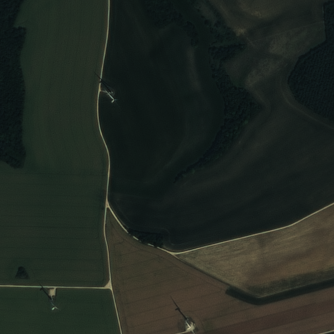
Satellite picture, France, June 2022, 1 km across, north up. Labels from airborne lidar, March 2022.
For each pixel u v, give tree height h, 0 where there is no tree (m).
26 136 0
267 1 0
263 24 0
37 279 0
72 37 0
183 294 0
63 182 0
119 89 0
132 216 0
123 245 0
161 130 0
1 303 0
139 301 0
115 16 0
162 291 0
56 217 0
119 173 0
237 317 0
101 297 0
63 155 0
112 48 0
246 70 0
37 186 0
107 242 0
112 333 0
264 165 0
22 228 0
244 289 0
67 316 0
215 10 6
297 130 0
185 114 0
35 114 0
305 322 0
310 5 0
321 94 20
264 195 0
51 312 0
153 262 0
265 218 0
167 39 0
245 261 0
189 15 0
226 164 0
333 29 15
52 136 0
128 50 0
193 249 0
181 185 0
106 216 0
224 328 0
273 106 0
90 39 0
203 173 0
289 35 0
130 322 0
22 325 0
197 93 0
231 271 0
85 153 0
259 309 0
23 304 0
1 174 0
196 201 0
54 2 0
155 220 0
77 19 0
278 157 0
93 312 0
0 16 19
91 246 0
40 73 0
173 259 0
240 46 15
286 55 0
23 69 0
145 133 0
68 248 0
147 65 0
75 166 0
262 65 0
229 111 17
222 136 17
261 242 0
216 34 11
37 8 0
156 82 0
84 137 0
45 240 0
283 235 0
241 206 0
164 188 0
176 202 0
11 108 14
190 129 0
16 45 21
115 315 0
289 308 0
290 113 0
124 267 0
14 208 0
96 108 0
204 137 0
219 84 10
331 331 0
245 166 0
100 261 0
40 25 0
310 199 0
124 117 0
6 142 7
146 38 0
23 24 0
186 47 0
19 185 0
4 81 15
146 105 0
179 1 0
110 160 0
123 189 0
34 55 0
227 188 0
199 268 0
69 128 0
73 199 0
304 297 0
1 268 0
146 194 0
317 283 0
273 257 0
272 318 0
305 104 9
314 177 0
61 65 0
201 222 0
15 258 0
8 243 0
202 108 0
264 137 0
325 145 0
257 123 0
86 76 0
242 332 0
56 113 0
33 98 0
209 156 20
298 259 0
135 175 0
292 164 0
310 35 0
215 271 0
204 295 0
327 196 0
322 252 0
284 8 0
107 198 0
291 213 0
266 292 0
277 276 0
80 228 0
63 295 0
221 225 0
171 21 19
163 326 0
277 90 0
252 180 0
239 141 0
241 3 0
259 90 0
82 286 0
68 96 0
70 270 0
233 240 0
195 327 0
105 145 0
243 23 0
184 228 0
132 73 0
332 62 19
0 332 0
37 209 0
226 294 0
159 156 0
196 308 0
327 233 0
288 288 0
